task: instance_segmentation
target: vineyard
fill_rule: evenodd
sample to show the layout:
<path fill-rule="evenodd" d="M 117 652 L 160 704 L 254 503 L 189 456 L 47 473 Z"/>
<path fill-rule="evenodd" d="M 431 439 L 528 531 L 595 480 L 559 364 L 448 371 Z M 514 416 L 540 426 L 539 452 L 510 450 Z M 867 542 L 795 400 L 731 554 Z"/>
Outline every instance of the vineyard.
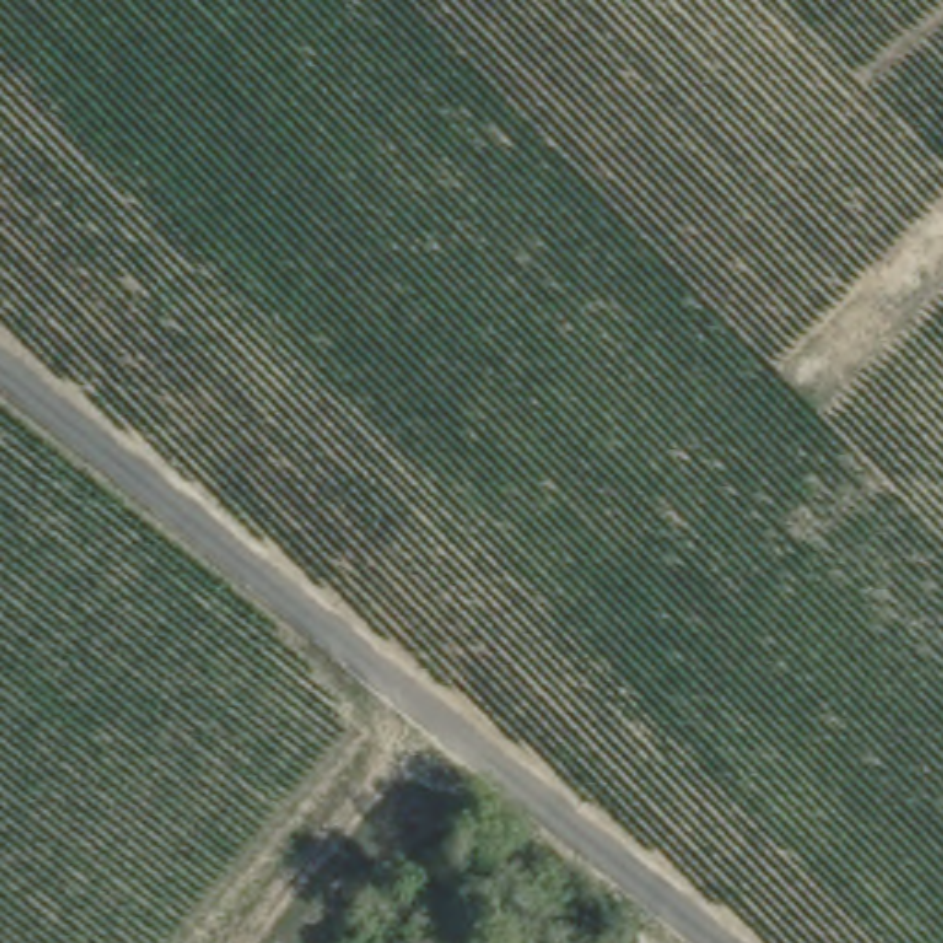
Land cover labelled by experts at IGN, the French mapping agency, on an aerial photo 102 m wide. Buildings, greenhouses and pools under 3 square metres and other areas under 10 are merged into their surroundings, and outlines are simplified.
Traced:
<path fill-rule="evenodd" d="M 70 402 L 103 438 L 144 460 L 169 490 L 188 497 L 243 553 L 273 567 L 302 600 L 332 615 L 350 634 L 365 623 L 376 637 L 394 641 L 402 652 L 409 652 L 416 667 L 431 674 L 431 681 L 464 693 L 475 707 L 483 707 L 494 718 L 494 726 L 508 740 L 534 748 L 549 763 L 549 770 L 560 781 L 567 781 L 586 803 L 597 803 L 641 847 L 659 851 L 704 899 L 729 906 L 763 943 L 943 943 L 943 0 L 0 0 L 0 350 L 18 368 L 26 368 L 44 390 Z"/>
<path fill-rule="evenodd" d="M 243 600 L 225 578 L 210 575 L 180 545 L 158 534 L 133 508 L 125 508 L 114 494 L 107 494 L 88 472 L 74 468 L 55 446 L 37 438 L 22 420 L 0 409 L 0 943 L 262 943 L 295 899 L 291 869 L 280 858 L 291 836 L 302 829 L 309 836 L 332 836 L 339 829 L 350 836 L 361 825 L 361 818 L 379 803 L 379 781 L 368 770 L 368 759 L 379 744 L 372 707 L 379 700 L 324 645 L 317 645 L 317 637 L 309 637 L 298 648 L 284 645 L 276 637 L 273 619 L 265 619 L 250 600 Z"/>

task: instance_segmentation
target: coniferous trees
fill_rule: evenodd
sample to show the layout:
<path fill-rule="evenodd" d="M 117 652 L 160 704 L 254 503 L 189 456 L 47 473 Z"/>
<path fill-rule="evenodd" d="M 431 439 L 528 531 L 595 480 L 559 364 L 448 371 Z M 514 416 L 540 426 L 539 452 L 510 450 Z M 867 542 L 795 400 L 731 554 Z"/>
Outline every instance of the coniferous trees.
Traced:
<path fill-rule="evenodd" d="M 402 873 L 398 884 L 383 891 L 361 888 L 350 910 L 357 936 L 346 943 L 689 943 L 663 921 L 652 921 L 634 899 L 611 899 L 608 891 L 593 895 L 593 884 L 571 862 L 564 862 L 553 847 L 530 840 L 530 810 L 512 803 L 501 785 L 486 785 L 483 777 L 449 766 L 435 751 L 394 755 L 390 777 L 416 781 L 431 792 L 460 792 L 472 781 L 479 807 L 460 814 L 449 844 L 431 840 L 427 862 Z"/>

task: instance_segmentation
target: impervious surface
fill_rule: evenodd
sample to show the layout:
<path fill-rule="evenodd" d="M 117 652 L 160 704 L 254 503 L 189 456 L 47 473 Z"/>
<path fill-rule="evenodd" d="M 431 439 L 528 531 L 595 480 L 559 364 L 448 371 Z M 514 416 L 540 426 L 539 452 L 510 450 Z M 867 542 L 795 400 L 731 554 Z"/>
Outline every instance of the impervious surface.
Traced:
<path fill-rule="evenodd" d="M 567 781 L 560 781 L 549 770 L 549 763 L 534 748 L 508 740 L 494 726 L 494 718 L 483 707 L 475 707 L 464 693 L 431 681 L 431 674 L 416 667 L 409 652 L 402 652 L 394 641 L 376 637 L 365 623 L 350 634 L 332 615 L 302 600 L 273 567 L 243 553 L 188 497 L 169 490 L 144 460 L 103 438 L 70 402 L 44 390 L 26 368 L 18 368 L 0 350 L 0 409 L 22 420 L 37 438 L 55 446 L 74 468 L 88 472 L 107 494 L 114 494 L 125 508 L 133 508 L 158 534 L 180 545 L 210 575 L 225 578 L 243 600 L 250 600 L 265 619 L 273 619 L 276 637 L 284 645 L 298 648 L 309 637 L 317 637 L 317 645 L 324 645 L 379 700 L 372 707 L 379 744 L 368 759 L 368 770 L 379 781 L 390 777 L 394 755 L 435 751 L 449 766 L 483 777 L 486 785 L 501 785 L 512 803 L 530 810 L 530 840 L 553 847 L 564 862 L 571 862 L 593 884 L 593 895 L 608 891 L 611 899 L 634 899 L 652 921 L 663 921 L 689 943 L 763 943 L 729 906 L 704 899 L 659 851 L 641 847 L 597 803 L 586 803 Z"/>

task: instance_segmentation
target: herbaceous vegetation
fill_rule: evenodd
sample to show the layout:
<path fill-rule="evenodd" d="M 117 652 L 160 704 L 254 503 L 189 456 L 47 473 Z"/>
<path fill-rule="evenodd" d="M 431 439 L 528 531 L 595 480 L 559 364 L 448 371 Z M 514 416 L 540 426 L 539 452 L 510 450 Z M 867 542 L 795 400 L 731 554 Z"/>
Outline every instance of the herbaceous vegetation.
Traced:
<path fill-rule="evenodd" d="M 361 825 L 350 836 L 339 829 L 332 836 L 309 836 L 302 829 L 291 836 L 280 858 L 291 869 L 295 899 L 262 943 L 346 943 L 357 936 L 350 910 L 361 888 L 383 891 L 398 884 L 402 873 L 427 862 L 431 840 L 449 844 L 460 814 L 479 807 L 472 781 L 460 792 L 431 792 L 416 781 L 390 777 L 379 781 L 379 803 L 361 818 Z"/>

